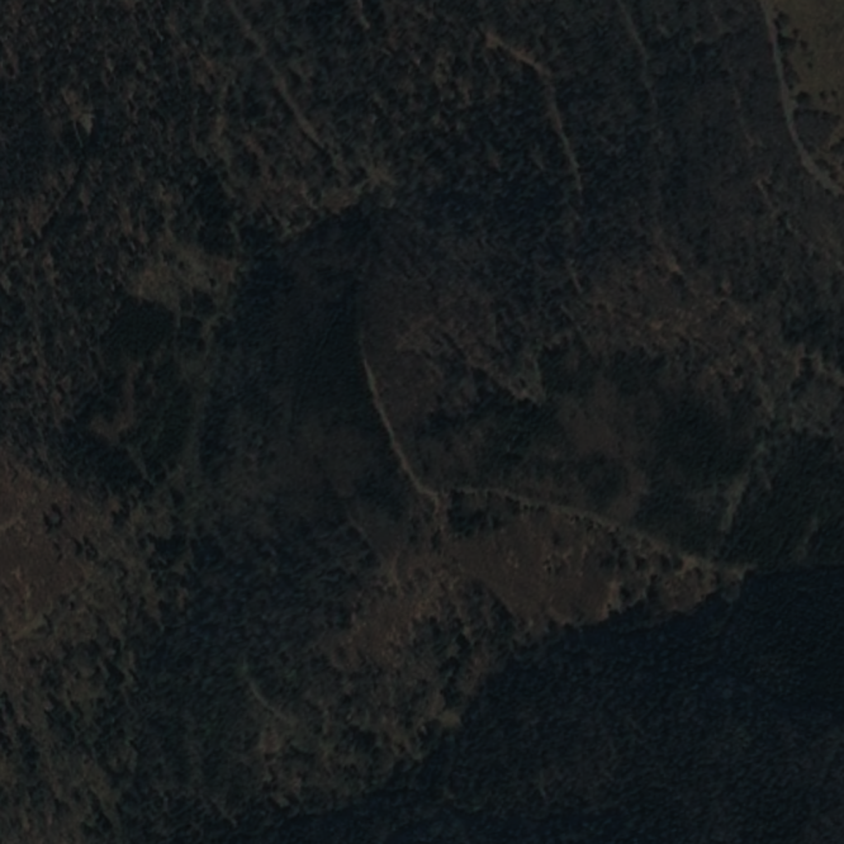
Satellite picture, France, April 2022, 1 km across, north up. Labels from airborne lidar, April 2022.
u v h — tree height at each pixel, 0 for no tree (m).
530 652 20
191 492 9
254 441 12
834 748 27
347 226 9
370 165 16
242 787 23
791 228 12
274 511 12
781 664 14
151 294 16
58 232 19
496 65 29
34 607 11
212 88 19
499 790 28
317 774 36
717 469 20
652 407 20
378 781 28
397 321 10
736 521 16
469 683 31
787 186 12
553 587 15
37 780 27
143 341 26
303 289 17
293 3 30
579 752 26
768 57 15
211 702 18
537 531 13
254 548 15
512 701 22
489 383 18
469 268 24
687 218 21
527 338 10
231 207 20
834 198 13
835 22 0
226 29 35
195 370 8
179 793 30
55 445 34
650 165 29
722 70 12
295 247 16
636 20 22
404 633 10
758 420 20
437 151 8
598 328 28
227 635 26
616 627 23
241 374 19
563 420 19
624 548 16
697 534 21
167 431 18
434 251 7
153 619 22
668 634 25
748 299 25
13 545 10
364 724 31
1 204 29
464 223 19
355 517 13
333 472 12
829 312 19
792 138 12
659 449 20
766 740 26
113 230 35
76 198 20
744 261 20
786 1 0
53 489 6
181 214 31
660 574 8
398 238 11
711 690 26
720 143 21
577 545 15
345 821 31
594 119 35
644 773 21
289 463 16
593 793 27
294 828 33
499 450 15
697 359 24
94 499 34
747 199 15
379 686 19
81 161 11
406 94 27
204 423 24
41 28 34
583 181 17
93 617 29
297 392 18
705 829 28
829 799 27
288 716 17
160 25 17
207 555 11
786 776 30
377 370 8
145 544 30
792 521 23
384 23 35
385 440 9
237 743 15
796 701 14
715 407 20
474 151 29
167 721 17
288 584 12
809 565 19
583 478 22
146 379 21
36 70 42
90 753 31
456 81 9
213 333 11
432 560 15
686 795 23
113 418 28
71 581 12
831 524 19
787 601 23
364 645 13
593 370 20
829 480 22
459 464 19
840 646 20
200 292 12
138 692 38
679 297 26
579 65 33
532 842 29
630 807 24
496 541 15
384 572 0
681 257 17
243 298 20
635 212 28
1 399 31
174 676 18
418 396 10
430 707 33
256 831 33
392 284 12
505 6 29
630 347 28
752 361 27
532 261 25
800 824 25
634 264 28
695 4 20
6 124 25
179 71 32
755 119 15
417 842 33
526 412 13
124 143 39
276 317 18
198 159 27
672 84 22
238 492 16
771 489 11
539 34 25
